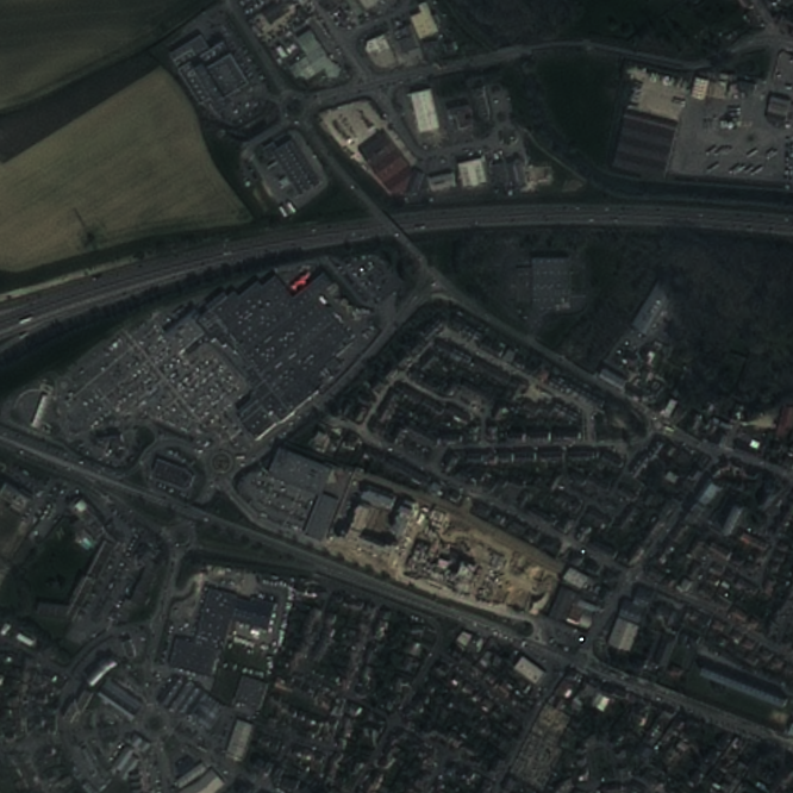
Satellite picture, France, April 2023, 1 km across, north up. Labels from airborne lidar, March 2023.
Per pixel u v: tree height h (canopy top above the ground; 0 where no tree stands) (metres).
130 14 0
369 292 0
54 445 0
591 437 0
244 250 0
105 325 0
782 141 0
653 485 7
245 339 0
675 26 7
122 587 0
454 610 0
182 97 0
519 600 0
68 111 0
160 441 0
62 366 0
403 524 0
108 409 0
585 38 0
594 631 0
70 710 0
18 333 0
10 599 0
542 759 0
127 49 0
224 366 0
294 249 0
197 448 0
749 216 0
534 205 0
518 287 0
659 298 0
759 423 0
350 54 0
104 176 0
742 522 0
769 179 0
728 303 25
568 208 0
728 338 36
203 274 0
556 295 0
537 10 39
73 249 0
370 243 0
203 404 0
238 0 0
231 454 0
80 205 0
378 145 0
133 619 0
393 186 0
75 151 0
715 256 40
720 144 0
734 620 0
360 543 0
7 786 0
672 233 15
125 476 0
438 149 0
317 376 0
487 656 0
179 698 0
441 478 0
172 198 0
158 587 0
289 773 0
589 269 0
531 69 14
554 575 0
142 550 0
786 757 16
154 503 0
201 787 0
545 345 0
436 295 0
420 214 0
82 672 0
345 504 0
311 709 0
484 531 0
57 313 0
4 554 0
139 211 0
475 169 0
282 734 0
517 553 0
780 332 19
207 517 0
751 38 0
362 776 0
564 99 0
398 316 0
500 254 0
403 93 0
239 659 0
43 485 0
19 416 0
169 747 0
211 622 0
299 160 0
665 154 0
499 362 0
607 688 0
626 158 0
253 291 0
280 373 0
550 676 0
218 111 0
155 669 0
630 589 0
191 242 8
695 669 0
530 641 0
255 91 0
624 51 0
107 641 0
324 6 0
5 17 0
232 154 0
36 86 0
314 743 0
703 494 0
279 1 0
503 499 0
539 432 0
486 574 0
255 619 0
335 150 0
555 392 0
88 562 0
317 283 0
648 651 7
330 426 0
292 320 0
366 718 7
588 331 6
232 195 0
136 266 0
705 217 0
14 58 0
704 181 0
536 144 0
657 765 10
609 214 0
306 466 0
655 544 0
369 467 8
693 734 18
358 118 0
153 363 0
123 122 0
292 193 0
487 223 0
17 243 0
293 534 0
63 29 0
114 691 0
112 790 0
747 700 0
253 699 0
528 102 9
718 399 17
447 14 0
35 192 0
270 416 0
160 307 0
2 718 6
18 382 0
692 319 41
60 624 0
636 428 14
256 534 0
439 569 0
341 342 0
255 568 0
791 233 0
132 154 0
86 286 0
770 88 0
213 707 0
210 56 0
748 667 6
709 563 0
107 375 0
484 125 11
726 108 0
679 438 0
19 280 0
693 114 0
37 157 0
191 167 0
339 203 0
